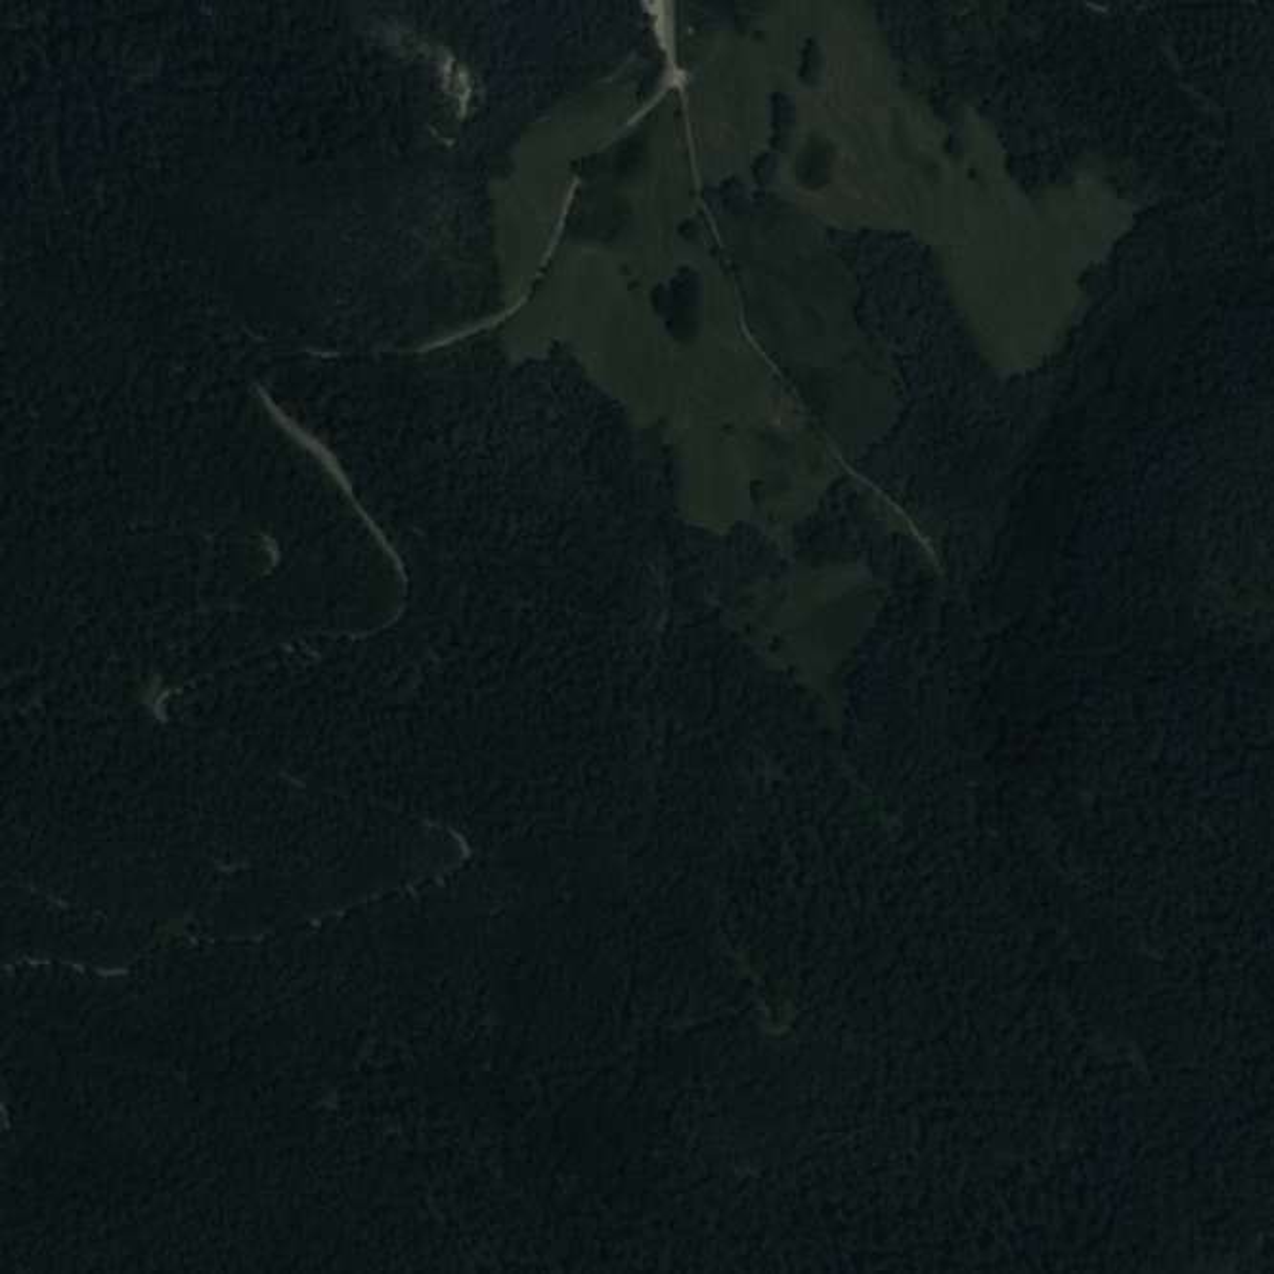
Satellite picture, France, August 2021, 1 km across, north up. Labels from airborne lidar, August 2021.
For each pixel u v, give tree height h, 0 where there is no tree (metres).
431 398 12
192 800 26
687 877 13
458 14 11
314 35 14
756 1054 16
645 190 0
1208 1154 20
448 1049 16
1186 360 20
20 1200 25
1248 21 19
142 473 23
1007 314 0
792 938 15
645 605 14
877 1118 26
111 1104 17
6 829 18
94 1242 22
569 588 18
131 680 27
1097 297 12
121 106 16
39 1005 21
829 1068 13
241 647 12
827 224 0
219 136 15
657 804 12
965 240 0
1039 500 26
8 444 20
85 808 24
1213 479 21
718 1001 17
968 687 21
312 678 20
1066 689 21
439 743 20
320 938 20
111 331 20
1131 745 22
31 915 21
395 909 21
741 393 0
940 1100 26
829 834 25
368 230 12
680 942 21
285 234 16
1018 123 8
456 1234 13
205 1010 19
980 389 13
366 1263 22
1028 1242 18
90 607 12
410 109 12
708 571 16
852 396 0
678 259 0
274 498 20
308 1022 14
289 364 19
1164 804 26
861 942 17
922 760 20
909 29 10
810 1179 20
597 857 12
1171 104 14
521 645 24
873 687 23
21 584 15
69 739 23
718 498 0
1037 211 0
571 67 12
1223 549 14
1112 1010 23
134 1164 22
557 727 18
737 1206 16
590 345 0
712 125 0
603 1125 19
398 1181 16
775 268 0
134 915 21
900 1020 26
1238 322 25
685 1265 14
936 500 12
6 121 28
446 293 7
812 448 0
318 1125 21
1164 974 24
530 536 14
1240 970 19
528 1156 16
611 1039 19
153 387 16
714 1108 18
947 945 25
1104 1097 28
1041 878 22
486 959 15
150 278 19
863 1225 21
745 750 13
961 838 23
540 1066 15
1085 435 27
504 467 26
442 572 16
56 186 15
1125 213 0
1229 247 25
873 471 11
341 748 23
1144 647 16
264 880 14
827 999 18
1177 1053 22
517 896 13
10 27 14
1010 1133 17
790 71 0
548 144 0
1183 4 9
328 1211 20
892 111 0
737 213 12
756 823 15
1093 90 17
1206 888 25
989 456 22
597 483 16
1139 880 24
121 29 15
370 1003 15
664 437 0
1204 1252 11
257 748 22
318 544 16
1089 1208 35
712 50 0
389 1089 21
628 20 15
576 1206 16
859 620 0
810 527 8
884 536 9
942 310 12
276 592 12
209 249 14
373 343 15
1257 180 24
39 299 14
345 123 22
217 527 13
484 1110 19
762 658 8
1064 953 14
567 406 14
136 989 19
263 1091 15
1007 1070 26
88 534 15
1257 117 14
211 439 18
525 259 0
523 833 21
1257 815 26
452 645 13
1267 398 21
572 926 20
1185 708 22
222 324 23
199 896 20
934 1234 17
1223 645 15
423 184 7
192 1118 19
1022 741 16
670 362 0
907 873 24
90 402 17
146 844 20
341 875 14
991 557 7
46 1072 20
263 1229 18
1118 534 24
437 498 28
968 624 17
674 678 17
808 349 0
